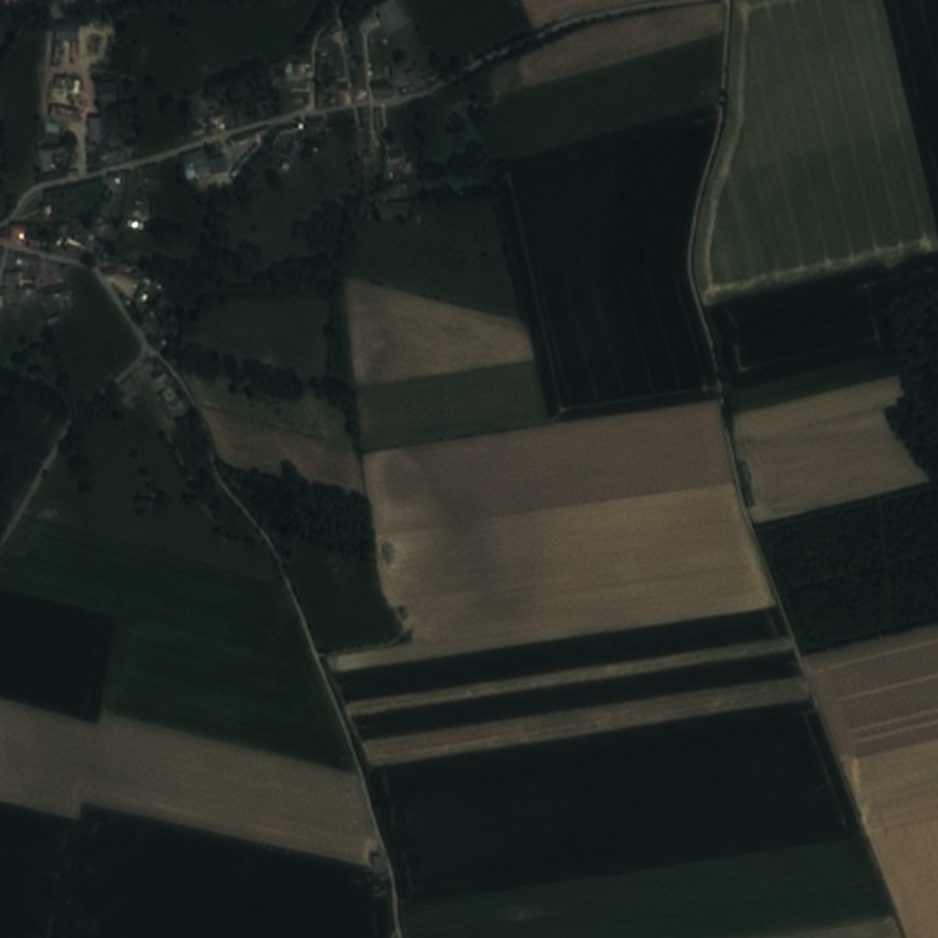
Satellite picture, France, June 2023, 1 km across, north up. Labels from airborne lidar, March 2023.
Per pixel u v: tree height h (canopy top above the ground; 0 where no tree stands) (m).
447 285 0
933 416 27
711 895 0
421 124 9
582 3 0
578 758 0
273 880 0
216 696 0
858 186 0
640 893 0
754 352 0
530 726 0
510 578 0
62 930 0
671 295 0
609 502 0
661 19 0
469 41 0
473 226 0
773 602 0
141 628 0
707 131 0
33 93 0
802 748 0
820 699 0
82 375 0
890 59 0
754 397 0
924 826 0
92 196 0
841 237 0
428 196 14
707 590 0
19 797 0
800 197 0
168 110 15
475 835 0
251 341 0
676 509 0
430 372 0
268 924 0
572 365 0
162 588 0
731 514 0
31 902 0
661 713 0
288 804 0
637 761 0
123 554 0
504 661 0
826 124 0
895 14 0
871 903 0
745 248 0
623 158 0
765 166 0
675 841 0
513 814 0
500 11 0
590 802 0
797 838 0
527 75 0
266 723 0
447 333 0
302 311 0
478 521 0
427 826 0
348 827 0
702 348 0
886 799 0
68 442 13
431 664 0
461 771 0
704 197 0
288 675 0
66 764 0
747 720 0
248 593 0
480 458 0
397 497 0
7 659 0
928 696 0
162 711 0
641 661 0
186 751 0
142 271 10
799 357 0
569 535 0
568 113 0
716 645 0
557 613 0
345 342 0
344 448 0
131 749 0
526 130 0
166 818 0
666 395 0
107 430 0
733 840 0
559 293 0
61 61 0
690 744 0
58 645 0
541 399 0
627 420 0
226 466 9
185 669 0
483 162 20
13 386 25
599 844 0
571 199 0
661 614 0
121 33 14
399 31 0
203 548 0
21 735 0
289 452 0
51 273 0
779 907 0
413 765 0
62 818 0
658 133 0
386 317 0
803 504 0
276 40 0
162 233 21
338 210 15
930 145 0
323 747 0
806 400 0
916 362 27
